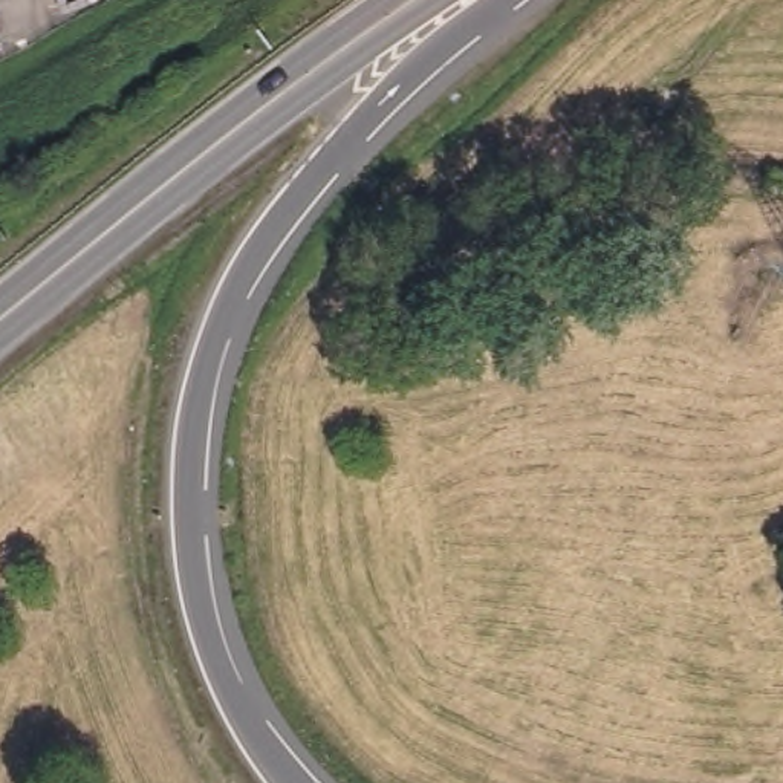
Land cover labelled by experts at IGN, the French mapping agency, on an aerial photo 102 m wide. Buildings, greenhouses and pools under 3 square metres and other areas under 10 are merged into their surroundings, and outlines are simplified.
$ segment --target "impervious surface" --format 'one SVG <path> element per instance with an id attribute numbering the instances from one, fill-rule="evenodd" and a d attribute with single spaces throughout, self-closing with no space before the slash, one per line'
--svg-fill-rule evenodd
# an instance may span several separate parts
<path id="1" fill-rule="evenodd" d="M 83 12 L 98 0 L 0 0 L 0 55 L 24 49 L 34 37 L 46 37 L 46 28 L 52 21 Z"/>
<path id="2" fill-rule="evenodd" d="M 226 92 L 220 101 L 214 101 L 208 110 L 202 110 L 196 119 L 177 128 L 150 156 L 132 165 L 116 184 L 98 193 L 86 208 L 80 208 L 70 220 L 64 220 L 55 232 L 34 245 L 21 260 L 0 272 L 0 361 L 12 355 L 21 343 L 28 343 L 34 333 L 40 333 L 49 321 L 55 321 L 107 272 L 122 266 L 159 229 L 165 229 L 187 208 L 193 208 L 214 184 L 220 184 L 226 174 L 232 174 L 239 165 L 245 165 L 251 156 L 257 156 L 263 147 L 269 147 L 275 138 L 281 138 L 288 128 L 306 119 L 309 147 L 297 159 L 281 165 L 278 184 L 260 202 L 248 226 L 239 232 L 199 309 L 180 364 L 165 453 L 168 566 L 180 627 L 196 673 L 205 685 L 205 694 L 223 731 L 229 734 L 236 752 L 257 777 L 257 783 L 336 783 L 327 777 L 327 771 L 315 765 L 315 759 L 291 734 L 239 630 L 220 554 L 220 529 L 232 523 L 232 511 L 226 511 L 220 502 L 217 453 L 223 447 L 239 370 L 245 364 L 260 315 L 272 297 L 272 288 L 309 223 L 336 196 L 343 187 L 355 184 L 361 171 L 379 156 L 382 147 L 404 125 L 410 125 L 437 98 L 459 101 L 465 95 L 462 80 L 480 61 L 508 52 L 511 43 L 529 37 L 538 24 L 544 24 L 557 0 L 349 0 L 321 24 L 294 40 L 284 52 L 278 52 L 254 73 L 248 73 L 232 92 Z"/>
<path id="3" fill-rule="evenodd" d="M 132 321 L 147 336 L 150 300 L 144 291 L 132 294 L 116 309 L 107 309 L 98 321 L 107 327 L 107 333 L 116 330 L 116 318 Z"/>

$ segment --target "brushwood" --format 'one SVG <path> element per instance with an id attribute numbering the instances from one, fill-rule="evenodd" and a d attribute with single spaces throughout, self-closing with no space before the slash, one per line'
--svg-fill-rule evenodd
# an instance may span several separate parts
<path id="1" fill-rule="evenodd" d="M 34 226 L 52 205 L 70 199 L 89 174 L 125 156 L 135 147 L 135 135 L 159 135 L 171 116 L 187 110 L 193 101 L 208 95 L 220 80 L 226 80 L 239 64 L 245 64 L 245 49 L 263 52 L 254 28 L 263 15 L 275 12 L 281 0 L 254 0 L 242 18 L 220 21 L 214 31 L 196 40 L 202 58 L 168 67 L 162 80 L 141 98 L 135 98 L 125 113 L 113 119 L 95 119 L 95 125 L 80 132 L 76 141 L 43 153 L 24 174 L 0 187 L 0 220 L 15 232 Z"/>

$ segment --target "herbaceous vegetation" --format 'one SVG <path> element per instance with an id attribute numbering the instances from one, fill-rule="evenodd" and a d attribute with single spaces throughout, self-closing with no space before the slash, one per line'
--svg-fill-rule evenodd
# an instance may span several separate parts
<path id="1" fill-rule="evenodd" d="M 260 202 L 278 184 L 281 165 L 297 159 L 309 147 L 306 119 L 288 128 L 281 138 L 275 138 L 269 147 L 263 147 L 257 156 L 251 156 L 245 165 L 239 165 L 232 174 L 226 174 L 220 184 L 214 184 L 193 208 L 187 208 L 165 229 L 159 229 L 122 266 L 107 272 L 55 321 L 49 321 L 40 333 L 34 333 L 28 343 L 21 343 L 12 355 L 0 361 L 0 392 L 15 395 L 21 385 L 28 385 L 28 376 L 37 364 L 43 364 L 55 349 L 67 346 L 80 330 L 98 321 L 107 309 L 116 309 L 132 294 L 144 291 L 150 300 L 147 336 L 147 349 L 138 355 L 138 370 L 125 395 L 125 459 L 116 468 L 116 547 L 122 551 L 122 587 L 128 599 L 128 615 L 138 630 L 141 667 L 156 694 L 159 716 L 171 740 L 177 743 L 184 765 L 199 777 L 199 783 L 257 783 L 257 777 L 236 752 L 229 734 L 223 731 L 205 694 L 205 685 L 196 673 L 180 627 L 168 566 L 165 453 L 180 364 L 199 309 L 239 232 L 248 226 Z"/>
<path id="2" fill-rule="evenodd" d="M 245 364 L 239 370 L 223 447 L 217 453 L 220 502 L 226 511 L 232 511 L 232 523 L 220 529 L 220 554 L 239 630 L 291 734 L 315 759 L 315 765 L 327 771 L 327 777 L 336 783 L 376 783 L 321 728 L 309 697 L 294 685 L 294 676 L 281 664 L 281 655 L 272 648 L 266 633 L 266 612 L 260 606 L 257 581 L 248 566 L 245 535 L 248 517 L 242 486 L 242 422 L 248 419 L 251 382 L 257 376 L 257 367 L 266 361 L 269 340 L 281 327 L 281 318 L 291 306 L 300 306 L 306 300 L 309 288 L 315 284 L 324 266 L 327 236 L 343 208 L 343 199 L 336 196 L 309 223 L 272 288 L 272 297 L 260 315 Z"/>
<path id="3" fill-rule="evenodd" d="M 404 125 L 382 147 L 379 156 L 404 159 L 413 168 L 428 159 L 434 162 L 450 135 L 495 119 L 502 101 L 508 101 L 520 86 L 526 86 L 532 73 L 554 61 L 575 37 L 581 37 L 584 24 L 596 18 L 603 6 L 618 0 L 557 0 L 544 24 L 538 24 L 529 37 L 511 43 L 508 52 L 480 61 L 462 80 L 465 95 L 459 101 L 437 98 L 410 125 Z"/>
<path id="4" fill-rule="evenodd" d="M 263 15 L 254 28 L 263 52 L 245 49 L 245 64 L 239 64 L 226 80 L 220 80 L 208 95 L 193 101 L 187 110 L 171 116 L 159 135 L 135 135 L 135 147 L 125 156 L 89 174 L 70 199 L 52 205 L 34 226 L 15 232 L 0 220 L 0 272 L 21 260 L 34 245 L 55 232 L 64 220 L 70 220 L 80 208 L 86 208 L 98 193 L 116 184 L 132 165 L 150 156 L 177 128 L 196 119 L 202 110 L 208 110 L 214 101 L 220 101 L 226 92 L 232 92 L 248 73 L 254 73 L 278 52 L 284 52 L 294 40 L 321 24 L 349 0 L 281 0 L 275 12 Z"/>
<path id="5" fill-rule="evenodd" d="M 113 119 L 125 113 L 135 98 L 141 98 L 162 80 L 168 67 L 202 58 L 196 40 L 214 31 L 220 21 L 242 18 L 254 0 L 98 0 L 83 12 L 52 21 L 46 28 L 46 37 L 34 37 L 24 49 L 0 55 L 0 187 L 24 174 L 43 153 L 76 141 L 80 132 L 95 125 L 95 119 Z"/>

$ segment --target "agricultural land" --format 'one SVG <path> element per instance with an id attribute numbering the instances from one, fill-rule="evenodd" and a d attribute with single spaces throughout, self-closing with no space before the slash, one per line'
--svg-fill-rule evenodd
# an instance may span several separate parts
<path id="1" fill-rule="evenodd" d="M 755 202 L 752 187 L 743 177 L 734 177 L 725 187 L 728 205 L 716 214 L 716 220 L 710 226 L 694 226 L 685 239 L 694 257 L 694 275 L 685 281 L 682 297 L 664 291 L 661 312 L 630 315 L 621 324 L 618 336 L 603 336 L 590 330 L 578 315 L 569 315 L 569 333 L 560 349 L 560 361 L 541 364 L 538 379 L 529 388 L 502 379 L 495 373 L 492 349 L 486 349 L 480 358 L 480 379 L 443 376 L 431 385 L 419 385 L 410 392 L 370 392 L 367 382 L 340 382 L 330 376 L 327 358 L 318 355 L 318 330 L 327 321 L 340 324 L 340 318 L 346 315 L 343 303 L 349 297 L 343 294 L 346 281 L 340 278 L 340 254 L 361 248 L 364 229 L 385 242 L 388 223 L 410 202 L 465 199 L 489 168 L 495 168 L 508 180 L 523 168 L 529 156 L 538 162 L 551 162 L 563 153 L 572 153 L 575 128 L 618 128 L 624 138 L 636 138 L 645 150 L 651 150 L 664 147 L 670 138 L 707 138 L 716 128 L 725 141 L 740 144 L 755 159 L 783 159 L 783 0 L 618 0 L 603 6 L 596 18 L 584 24 L 581 37 L 575 37 L 554 61 L 532 73 L 526 86 L 520 86 L 508 101 L 502 101 L 495 119 L 450 135 L 434 162 L 428 159 L 413 168 L 404 159 L 379 156 L 361 171 L 355 184 L 343 187 L 336 196 L 343 199 L 343 208 L 327 236 L 324 266 L 315 284 L 309 288 L 306 300 L 300 306 L 291 306 L 281 318 L 281 327 L 269 340 L 266 361 L 257 367 L 257 376 L 251 382 L 248 419 L 242 422 L 242 486 L 248 517 L 245 535 L 248 566 L 257 581 L 260 606 L 266 612 L 266 633 L 272 648 L 281 655 L 281 664 L 294 676 L 294 685 L 309 697 L 321 728 L 376 783 L 783 783 L 783 202 Z M 379 434 L 385 428 L 392 465 L 382 477 L 355 477 L 336 465 L 333 453 L 327 450 L 327 440 L 346 428 L 358 428 L 367 434 Z"/>
<path id="2" fill-rule="evenodd" d="M 116 330 L 107 333 L 107 327 L 98 321 L 80 330 L 67 346 L 55 349 L 43 364 L 37 364 L 28 376 L 28 385 L 21 385 L 15 395 L 0 392 L 0 563 L 31 566 L 46 557 L 55 572 L 55 599 L 49 609 L 31 609 L 24 603 L 12 606 L 21 627 L 21 648 L 12 658 L 0 661 L 0 783 L 21 783 L 28 780 L 34 762 L 52 749 L 76 749 L 86 762 L 98 762 L 104 755 L 113 783 L 199 783 L 199 777 L 184 765 L 177 743 L 171 740 L 159 716 L 156 694 L 141 667 L 138 630 L 128 615 L 128 599 L 122 587 L 122 551 L 116 547 L 116 468 L 125 459 L 125 395 L 138 370 L 138 355 L 147 349 L 147 336 L 132 321 L 116 318 Z"/>

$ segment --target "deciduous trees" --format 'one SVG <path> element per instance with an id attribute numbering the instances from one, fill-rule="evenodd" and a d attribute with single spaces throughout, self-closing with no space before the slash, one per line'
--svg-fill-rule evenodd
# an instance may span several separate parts
<path id="1" fill-rule="evenodd" d="M 55 572 L 46 557 L 31 566 L 0 563 L 0 661 L 12 658 L 21 648 L 21 627 L 12 606 L 24 603 L 31 609 L 49 609 L 55 599 Z"/>
<path id="2" fill-rule="evenodd" d="M 336 465 L 355 477 L 382 477 L 392 465 L 385 428 L 379 434 L 367 434 L 358 428 L 346 428 L 327 440 L 327 450 L 333 453 Z"/>
<path id="3" fill-rule="evenodd" d="M 508 180 L 495 168 L 489 168 L 465 199 L 410 202 L 388 223 L 385 242 L 364 229 L 361 248 L 340 254 L 340 278 L 346 281 L 343 294 L 349 297 L 343 303 L 346 315 L 340 318 L 340 324 L 327 321 L 318 330 L 318 355 L 327 358 L 330 376 L 340 382 L 367 382 L 370 392 L 410 392 L 419 385 L 431 385 L 443 376 L 480 379 L 480 358 L 486 349 L 492 349 L 495 373 L 502 379 L 529 388 L 538 379 L 541 364 L 560 361 L 560 349 L 569 333 L 569 315 L 578 315 L 590 330 L 603 336 L 618 336 L 621 324 L 630 315 L 661 312 L 664 291 L 682 297 L 685 281 L 694 275 L 694 257 L 685 239 L 694 226 L 710 226 L 716 220 L 716 214 L 728 205 L 725 187 L 734 177 L 743 177 L 752 187 L 755 202 L 783 202 L 783 159 L 755 159 L 740 144 L 725 141 L 716 128 L 707 138 L 670 138 L 664 147 L 651 150 L 645 150 L 636 138 L 624 138 L 618 128 L 575 128 L 572 153 L 563 153 L 551 162 L 538 162 L 529 156 L 523 168 Z"/>
<path id="4" fill-rule="evenodd" d="M 104 755 L 98 762 L 86 762 L 76 749 L 52 749 L 34 762 L 28 780 L 21 783 L 113 783 Z"/>

